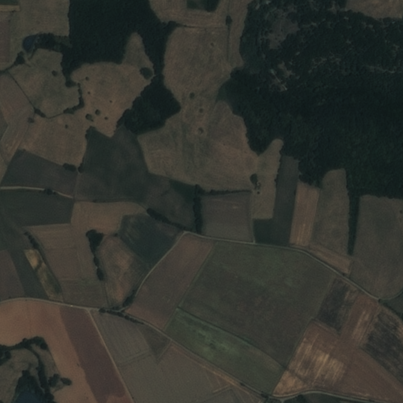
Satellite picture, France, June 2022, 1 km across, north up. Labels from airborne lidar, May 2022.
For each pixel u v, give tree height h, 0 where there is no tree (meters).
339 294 0
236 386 0
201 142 0
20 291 0
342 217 0
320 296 0
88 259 0
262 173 0
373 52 15
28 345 15
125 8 17
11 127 0
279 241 0
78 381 0
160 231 0
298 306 0
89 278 0
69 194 0
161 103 14
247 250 0
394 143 9
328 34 12
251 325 0
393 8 0
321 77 16
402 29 13
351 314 0
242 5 0
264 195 0
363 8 0
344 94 24
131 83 0
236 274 0
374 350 0
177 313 0
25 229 0
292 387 0
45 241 0
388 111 16
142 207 0
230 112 0
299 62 9
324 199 0
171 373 0
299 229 0
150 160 0
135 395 0
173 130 0
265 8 14
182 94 0
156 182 0
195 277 0
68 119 0
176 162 0
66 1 0
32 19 0
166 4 0
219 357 0
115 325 0
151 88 12
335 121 22
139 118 13
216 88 0
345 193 0
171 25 16
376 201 0
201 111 0
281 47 9
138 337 0
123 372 0
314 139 13
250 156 0
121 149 0
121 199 0
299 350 0
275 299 0
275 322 0
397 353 0
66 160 0
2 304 0
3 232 0
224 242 0
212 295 0
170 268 0
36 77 0
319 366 0
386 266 0
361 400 0
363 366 0
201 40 0
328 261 0
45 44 14
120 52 21
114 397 0
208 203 0
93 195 0
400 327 0
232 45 0
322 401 0
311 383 0
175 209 0
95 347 0
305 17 13
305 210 0
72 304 0
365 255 0
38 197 0
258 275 0
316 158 18
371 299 0
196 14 0
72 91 0
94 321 0
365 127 19
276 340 0
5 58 0
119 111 0
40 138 0
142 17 23
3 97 0
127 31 23
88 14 20
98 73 0
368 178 15
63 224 0
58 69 0
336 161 13
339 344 0
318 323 0
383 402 0
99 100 0
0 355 20
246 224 0
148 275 0
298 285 0
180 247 0
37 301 0
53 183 0
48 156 0
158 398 0
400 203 0
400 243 0
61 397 0
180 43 0
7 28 0
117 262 0
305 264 0
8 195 0
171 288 0
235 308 0
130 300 14
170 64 0
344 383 0
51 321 0
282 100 14
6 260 0
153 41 15
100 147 0
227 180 0
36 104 0
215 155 0
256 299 0
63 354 0
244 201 0
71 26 13
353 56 17
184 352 0
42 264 0
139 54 0
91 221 0
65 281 0
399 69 13
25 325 0
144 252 0
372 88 11
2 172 0
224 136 0
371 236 0
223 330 0
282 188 0
